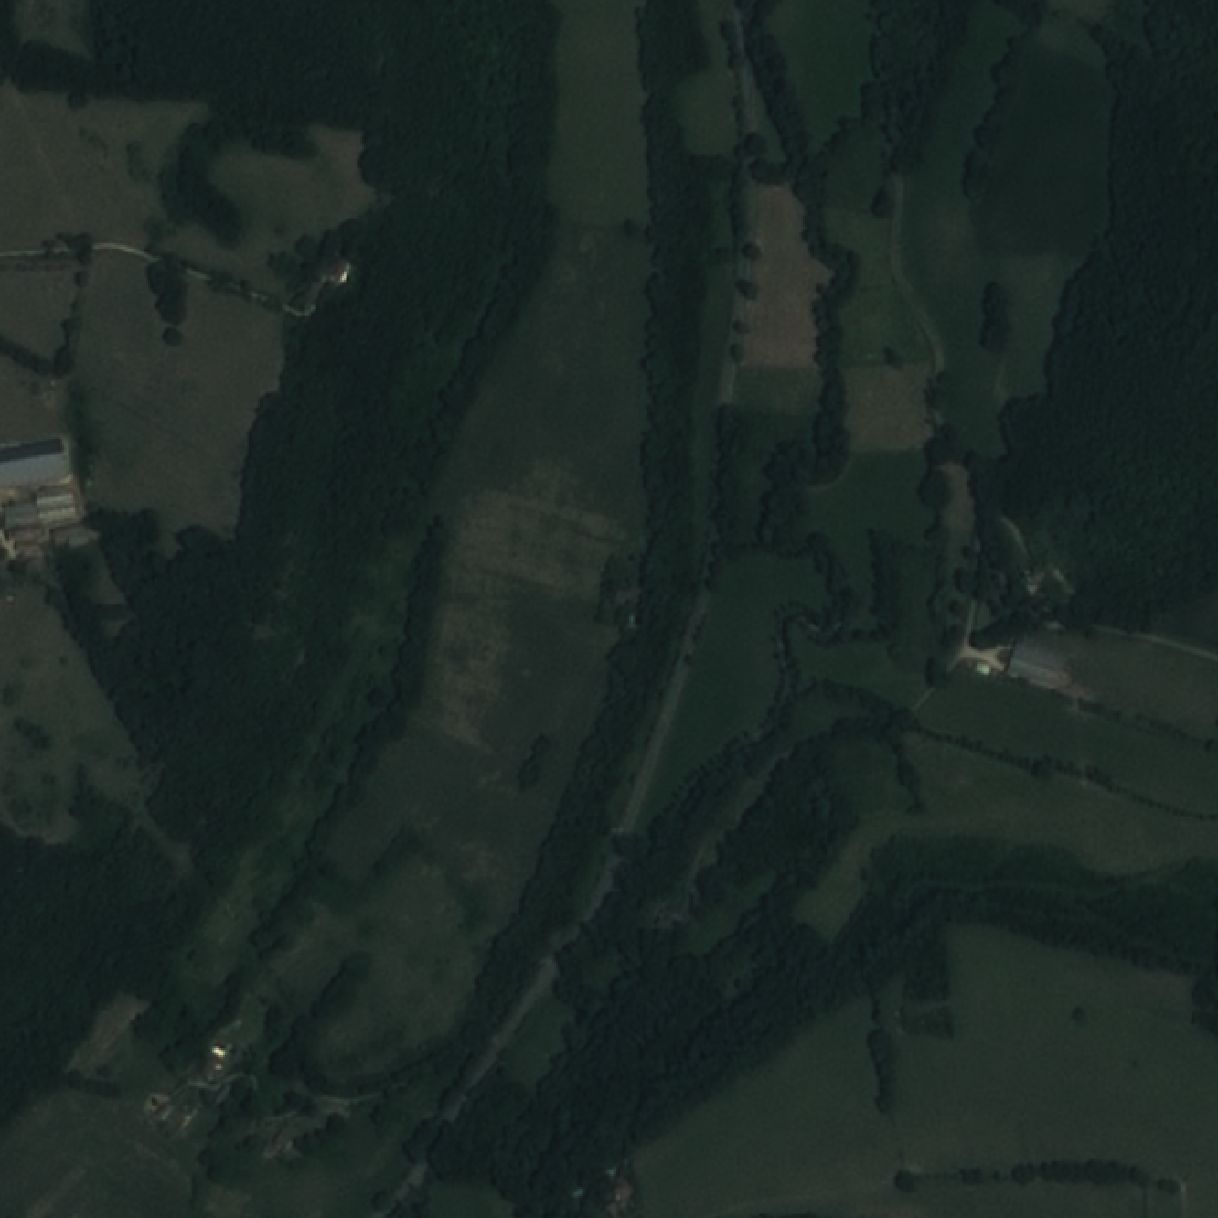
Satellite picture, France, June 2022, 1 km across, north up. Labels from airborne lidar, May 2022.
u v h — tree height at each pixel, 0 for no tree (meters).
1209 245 13
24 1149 0
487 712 0
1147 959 18
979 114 0
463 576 0
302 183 0
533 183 19
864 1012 0
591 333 0
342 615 15
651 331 16
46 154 0
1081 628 18
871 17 10
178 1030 7
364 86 11
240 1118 10
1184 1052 0
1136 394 16
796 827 8
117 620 12
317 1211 0
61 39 0
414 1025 0
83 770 7
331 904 0
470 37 8
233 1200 0
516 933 15
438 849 0
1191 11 21
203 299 0
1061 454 17
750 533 0
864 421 0
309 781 10
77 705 0
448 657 0
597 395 0
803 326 0
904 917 9
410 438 19
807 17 0
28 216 0
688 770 0
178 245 0
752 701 0
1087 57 0
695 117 0
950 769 0
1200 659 0
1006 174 0
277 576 10
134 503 0
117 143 0
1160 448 14
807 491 30
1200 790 0
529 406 0
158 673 21
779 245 0
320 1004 12
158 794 11
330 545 15
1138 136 16
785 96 36
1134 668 0
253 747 11
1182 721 0
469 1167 12
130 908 10
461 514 0
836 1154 0
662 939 16
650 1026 35
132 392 0
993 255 0
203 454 0
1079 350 18
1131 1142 0
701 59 21
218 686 15
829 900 0
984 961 0
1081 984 0
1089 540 8
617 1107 20
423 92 17
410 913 0
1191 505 8
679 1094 19
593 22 0
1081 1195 0
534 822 0
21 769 0
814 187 17
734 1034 24
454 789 0
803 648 0
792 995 14
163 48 19
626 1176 6
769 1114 0
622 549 0
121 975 20
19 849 10
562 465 0
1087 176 0
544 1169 21
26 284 0
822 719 0
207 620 23
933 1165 0
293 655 10
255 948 17
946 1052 0
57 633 0
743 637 0
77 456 0
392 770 0
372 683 11
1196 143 13
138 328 0
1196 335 16
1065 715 0
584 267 0
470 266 16
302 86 17
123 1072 0
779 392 0
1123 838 0
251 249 0
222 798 12
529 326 0
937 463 20
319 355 20
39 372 13
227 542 8
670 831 33
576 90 0
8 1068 19
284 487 16
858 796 0
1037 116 0
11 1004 12
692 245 21
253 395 0
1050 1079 0
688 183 24
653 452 23
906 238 0
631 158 0
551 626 0
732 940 10
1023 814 0
